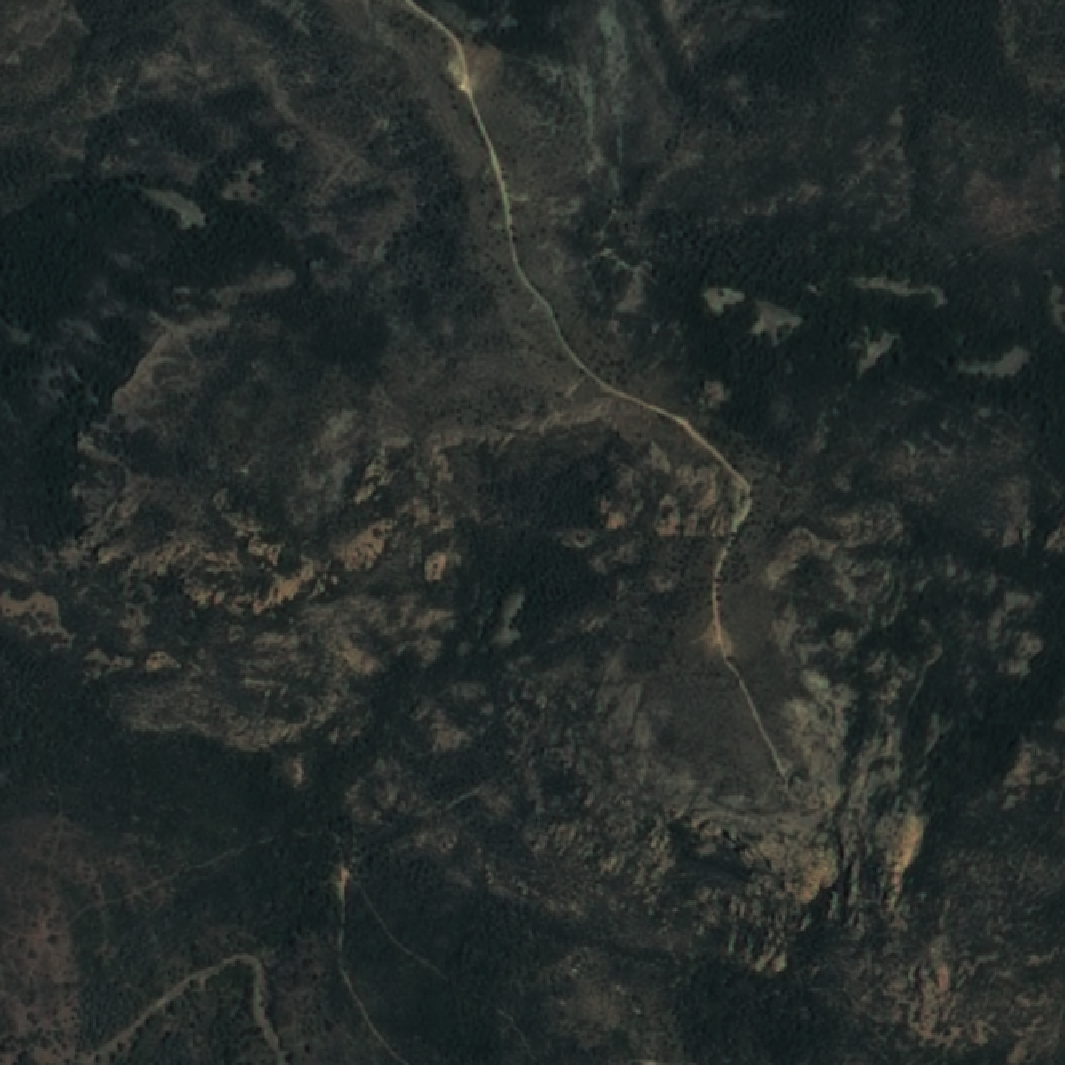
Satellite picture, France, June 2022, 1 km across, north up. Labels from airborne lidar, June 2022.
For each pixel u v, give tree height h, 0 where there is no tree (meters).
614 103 0
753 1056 9
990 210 0
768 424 10
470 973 6
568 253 0
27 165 11
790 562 0
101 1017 7
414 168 8
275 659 0
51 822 0
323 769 8
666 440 0
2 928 0
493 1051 6
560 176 0
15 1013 0
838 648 0
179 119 10
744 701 0
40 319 9
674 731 0
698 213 7
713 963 6
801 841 0
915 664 6
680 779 0
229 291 0
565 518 8
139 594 6
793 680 0
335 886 8
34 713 8
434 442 0
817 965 7
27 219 7
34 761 8
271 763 9
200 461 7
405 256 7
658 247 9
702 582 7
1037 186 0
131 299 9
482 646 10
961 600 7
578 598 9
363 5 0
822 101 8
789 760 0
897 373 6
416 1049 6
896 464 0
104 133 9
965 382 9
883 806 11
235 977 10
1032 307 6
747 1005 10
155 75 0
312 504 0
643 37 0
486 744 6
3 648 11
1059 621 8
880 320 10
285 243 9
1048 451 10
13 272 14
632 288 0
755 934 6
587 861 5
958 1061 6
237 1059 6
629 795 0
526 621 10
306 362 0
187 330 0
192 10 0
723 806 0
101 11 7
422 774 8
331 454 0
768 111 6
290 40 8
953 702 16
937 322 14
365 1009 0
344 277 0
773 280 10
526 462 0
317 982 11
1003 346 13
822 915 11
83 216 10
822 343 9
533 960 6
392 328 0
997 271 6
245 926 8
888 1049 7
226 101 7
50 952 0
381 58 0
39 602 0
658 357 0
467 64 0
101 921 0
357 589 0
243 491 8
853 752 7
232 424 0
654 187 0
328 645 0
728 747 0
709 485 0
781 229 6
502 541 6
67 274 10
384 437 0
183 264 8
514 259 0
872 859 12
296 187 13
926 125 8
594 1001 0
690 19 7
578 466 8
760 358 8
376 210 0
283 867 7
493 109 0
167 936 6
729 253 13
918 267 8
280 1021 17
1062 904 6
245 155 9
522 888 8
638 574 8
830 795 0
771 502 0
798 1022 10
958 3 10
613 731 0
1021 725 13
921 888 7
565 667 0
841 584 0
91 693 8
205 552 0
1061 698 6
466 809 7
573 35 0
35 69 0
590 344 7
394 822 7
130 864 0
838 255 9
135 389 0
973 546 10
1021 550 13
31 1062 13
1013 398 9
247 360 6
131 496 0
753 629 0
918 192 7
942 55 10
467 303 7
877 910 12
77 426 6
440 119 0
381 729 7
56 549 7
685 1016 9
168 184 7
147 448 8
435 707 0
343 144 0
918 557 7
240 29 0
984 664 7
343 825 8
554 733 0
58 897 0
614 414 0
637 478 0
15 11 0
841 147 0
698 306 8
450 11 0
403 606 0
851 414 8
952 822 7
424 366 0
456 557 0
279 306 7
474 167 0
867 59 0
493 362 0
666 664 0
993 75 8
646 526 0
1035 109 8
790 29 11
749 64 8
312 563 0
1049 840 6
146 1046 8
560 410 0
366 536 0
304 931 8
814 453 0
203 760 6
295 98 0
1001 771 8
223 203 9
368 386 6
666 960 9
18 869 0
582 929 6
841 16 12
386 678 10
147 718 0
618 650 0
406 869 7
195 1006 6
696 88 7
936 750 11
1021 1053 0
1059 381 6
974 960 10
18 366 11
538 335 0
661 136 0
